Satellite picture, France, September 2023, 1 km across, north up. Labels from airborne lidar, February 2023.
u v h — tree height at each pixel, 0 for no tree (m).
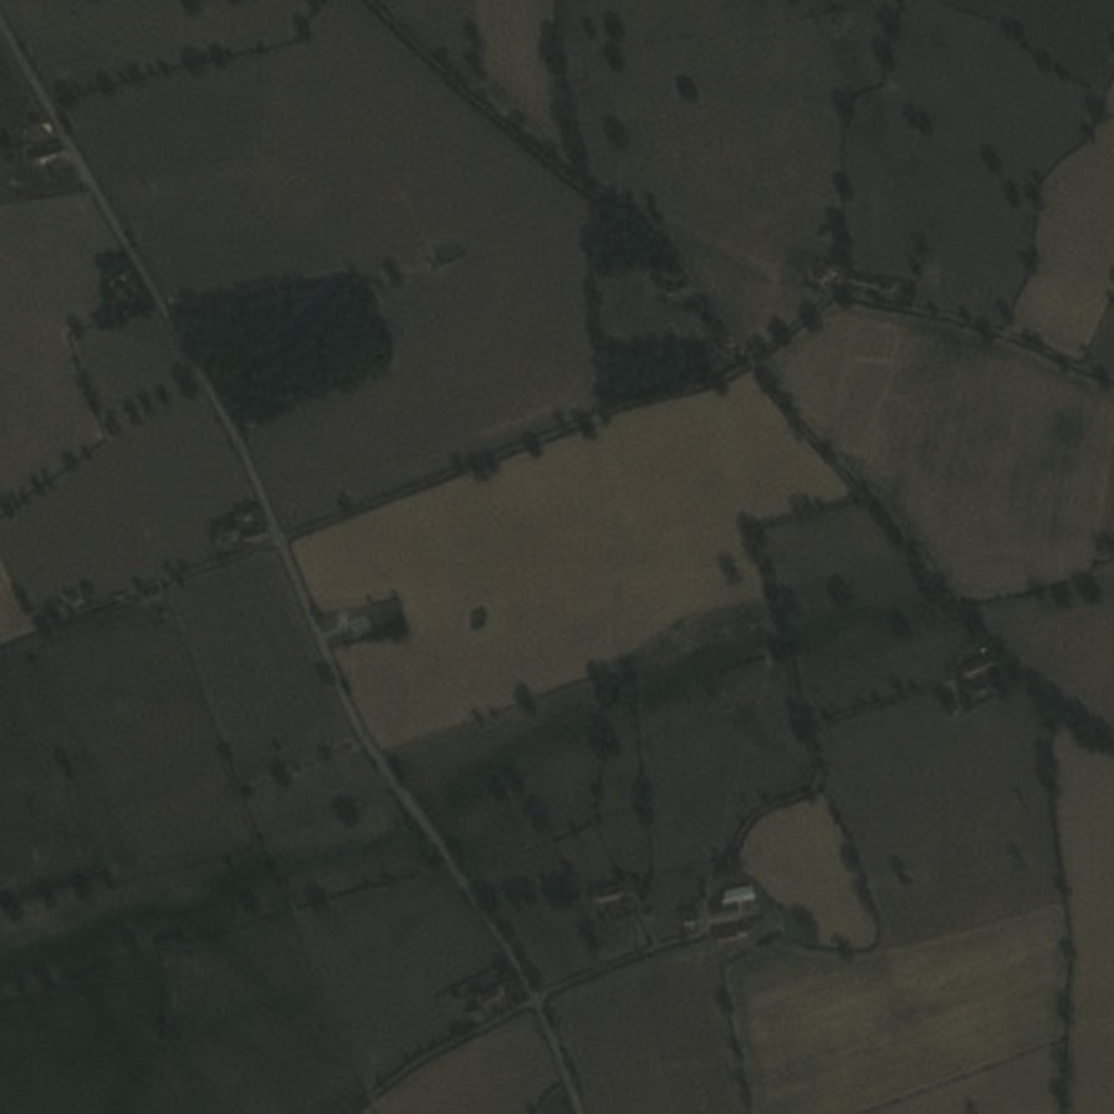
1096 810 0
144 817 0
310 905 13
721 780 0
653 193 0
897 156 0
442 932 0
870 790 0
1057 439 0
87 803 0
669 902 0
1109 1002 0
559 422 12
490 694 0
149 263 0
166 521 0
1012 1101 0
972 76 0
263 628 0
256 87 0
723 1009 12
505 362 0
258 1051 0
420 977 0
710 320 13
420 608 0
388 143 0
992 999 0
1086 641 0
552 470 0
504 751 0
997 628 0
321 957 0
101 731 0
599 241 9
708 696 0
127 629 0
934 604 12
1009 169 0
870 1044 0
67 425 0
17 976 0
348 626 0
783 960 0
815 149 0
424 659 0
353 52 0
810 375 0
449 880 0
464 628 0
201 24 0
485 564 0
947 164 0
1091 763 0
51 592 0
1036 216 0
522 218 0
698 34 0
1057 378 0
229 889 0
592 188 13
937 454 0
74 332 14
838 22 0
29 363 0
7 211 0
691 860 0
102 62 0
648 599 0
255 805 0
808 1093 0
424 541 0
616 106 0
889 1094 0
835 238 15
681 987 0
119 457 0
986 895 0
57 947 0
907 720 0
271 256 0
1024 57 0
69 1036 0
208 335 16
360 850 0
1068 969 14
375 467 0
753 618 0
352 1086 0
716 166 0
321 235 0
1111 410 0
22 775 0
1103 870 0
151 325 0
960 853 0
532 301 0
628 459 0
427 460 0
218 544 0
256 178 0
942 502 0
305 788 0
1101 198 0
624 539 0
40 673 0
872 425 0
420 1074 0
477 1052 0
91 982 0
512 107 0
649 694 0
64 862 0
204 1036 0
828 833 0
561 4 0
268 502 0
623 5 0
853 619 0
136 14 0
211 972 0
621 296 0
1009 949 0
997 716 0
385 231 0
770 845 0
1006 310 13
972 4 0
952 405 0
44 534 0
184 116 0
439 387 0
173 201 0
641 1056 0
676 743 0
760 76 0
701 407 0
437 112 0
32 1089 0
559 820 0
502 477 0
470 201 0
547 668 0
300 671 0
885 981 0
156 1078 0
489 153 0
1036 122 0
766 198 0
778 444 0
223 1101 0
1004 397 0
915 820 0
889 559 0
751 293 0
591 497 0
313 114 0
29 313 0
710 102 0
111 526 0
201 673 0
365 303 13
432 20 0
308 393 12
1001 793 0
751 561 9
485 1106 0
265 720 0
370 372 13
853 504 9
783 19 0
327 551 0
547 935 0
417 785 0
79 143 0
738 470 0
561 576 0
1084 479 0
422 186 0
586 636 0
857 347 0
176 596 0
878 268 0
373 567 0
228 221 0
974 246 0
